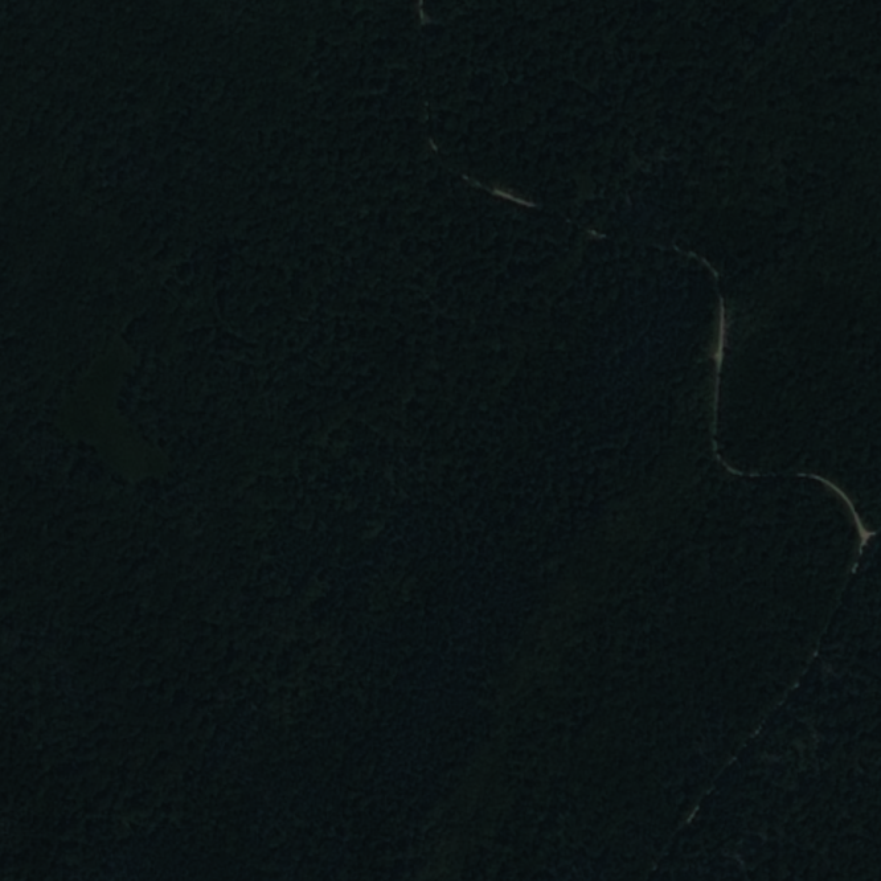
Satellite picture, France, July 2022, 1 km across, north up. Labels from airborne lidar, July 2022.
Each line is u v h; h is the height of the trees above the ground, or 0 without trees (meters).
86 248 20
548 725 17
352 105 25
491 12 21
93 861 20
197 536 21
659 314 22
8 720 14
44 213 18
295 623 18
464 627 24
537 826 13
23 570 19
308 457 6
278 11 20
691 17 17
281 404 19
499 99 21
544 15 22
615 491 18
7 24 21
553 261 23
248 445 18
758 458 15
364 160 21
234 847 12
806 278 11
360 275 22
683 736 25
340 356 19
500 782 20
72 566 24
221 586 23
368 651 22
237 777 17
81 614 13
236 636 25
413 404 24
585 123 13
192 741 26
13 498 18
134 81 25
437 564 12
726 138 20
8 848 8
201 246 28
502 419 23
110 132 28
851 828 22
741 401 10
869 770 22
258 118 20
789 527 22
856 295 10
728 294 14
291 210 24
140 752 22
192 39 23
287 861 30
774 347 13
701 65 21
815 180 24
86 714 25
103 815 6
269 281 19
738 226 14
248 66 24
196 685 27
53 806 12
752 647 22
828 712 29
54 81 19
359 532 11
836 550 19
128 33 21
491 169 21
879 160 17
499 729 20
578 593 15
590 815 22
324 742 17
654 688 24
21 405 20
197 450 24
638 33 18
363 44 20
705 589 19
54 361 22
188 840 15
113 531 23
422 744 24
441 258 25
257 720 14
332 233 18
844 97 19
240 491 18
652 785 17
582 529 20
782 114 23
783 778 23
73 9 19
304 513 17
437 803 21
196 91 16
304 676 19
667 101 22
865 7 20
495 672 20
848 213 19
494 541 9
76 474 18
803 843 25
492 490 13
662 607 20
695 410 18
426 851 17
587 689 13
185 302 19
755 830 20
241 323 22
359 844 16
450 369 23
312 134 17
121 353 0
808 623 24
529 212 17
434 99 15
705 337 15
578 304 13
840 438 17
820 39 17
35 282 19
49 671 22
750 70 20
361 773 14
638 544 18
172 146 21
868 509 16
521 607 20
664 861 17
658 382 17
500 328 22
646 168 6
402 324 18
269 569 19
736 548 24
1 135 17
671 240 19
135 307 19
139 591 24
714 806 17
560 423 14
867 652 24
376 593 16
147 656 27
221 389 22
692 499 16
